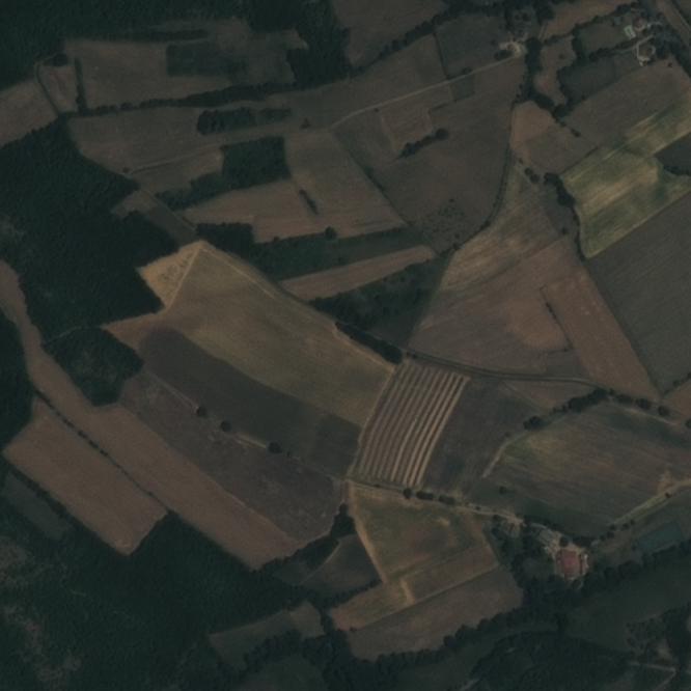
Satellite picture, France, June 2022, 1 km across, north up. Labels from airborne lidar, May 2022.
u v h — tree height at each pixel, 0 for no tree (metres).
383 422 0
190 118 0
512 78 0
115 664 12
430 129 0
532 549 17
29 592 9
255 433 0
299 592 15
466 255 0
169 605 9
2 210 9
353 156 0
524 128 0
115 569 12
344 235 0
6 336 11
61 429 0
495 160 0
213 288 0
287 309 0
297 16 11
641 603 0
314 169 0
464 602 0
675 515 0
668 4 0
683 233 0
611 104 0
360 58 0
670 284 0
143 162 0
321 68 10
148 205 0
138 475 0
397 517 0
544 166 0
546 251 0
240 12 8
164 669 13
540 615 26
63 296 8
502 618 14
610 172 0
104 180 9
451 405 0
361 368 0
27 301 10
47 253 9
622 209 0
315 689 0
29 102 0
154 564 14
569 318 0
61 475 0
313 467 0
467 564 0
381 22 0
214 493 0
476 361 0
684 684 7
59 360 9
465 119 0
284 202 0
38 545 6
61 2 12
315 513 0
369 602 0
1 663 9
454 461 0
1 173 15
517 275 0
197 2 12
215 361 0
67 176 10
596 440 0
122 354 10
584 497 0
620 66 0
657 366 0
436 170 0
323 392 0
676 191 0
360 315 8
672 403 0
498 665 9
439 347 0
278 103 0
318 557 10
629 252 0
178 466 0
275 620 0
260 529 0
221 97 16
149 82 0
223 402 0
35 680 9
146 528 0
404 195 0
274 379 0
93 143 0
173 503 0
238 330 0
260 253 9
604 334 0
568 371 0
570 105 11
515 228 0
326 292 0
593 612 0
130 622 9
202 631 12
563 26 0
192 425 0
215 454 0
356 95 0
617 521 0
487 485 0
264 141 7
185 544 10
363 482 0
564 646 22
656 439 0
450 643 22
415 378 0
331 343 0
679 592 0
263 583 14
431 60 0
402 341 0
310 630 0
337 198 0
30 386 12
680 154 0
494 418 0
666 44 11
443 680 0
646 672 7
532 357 0
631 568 21
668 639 8
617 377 0
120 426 0
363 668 23
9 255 9
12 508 11
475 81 0
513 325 0
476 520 0
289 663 0
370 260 0
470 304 0
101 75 0
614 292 0
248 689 0
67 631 7
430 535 0
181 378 0
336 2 0
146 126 0
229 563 10
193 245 0
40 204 10
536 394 0
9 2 12
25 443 0
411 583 0
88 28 9
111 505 0
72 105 0
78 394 0
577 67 12
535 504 0
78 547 12
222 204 0
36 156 13
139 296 11
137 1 12
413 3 0
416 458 0
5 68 11
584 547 9
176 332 0
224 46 0
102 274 12
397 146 0
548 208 0
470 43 0
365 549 0
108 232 13
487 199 0
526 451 0
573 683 9
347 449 0
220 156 0
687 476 0
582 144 0
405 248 0
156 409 0
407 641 0
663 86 0
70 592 8
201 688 16
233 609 10
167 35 9
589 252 0
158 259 14
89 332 10
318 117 0
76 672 8
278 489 0
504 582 0
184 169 0
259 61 0
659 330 0
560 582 23
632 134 0
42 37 9
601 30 0
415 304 6
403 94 0
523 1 21
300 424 0
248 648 0
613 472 0
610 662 12
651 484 0
